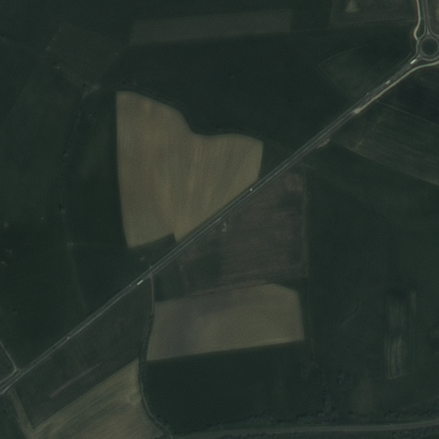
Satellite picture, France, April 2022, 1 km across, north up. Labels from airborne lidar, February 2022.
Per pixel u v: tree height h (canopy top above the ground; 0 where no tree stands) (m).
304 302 0
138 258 0
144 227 0
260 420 12
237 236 0
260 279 0
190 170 0
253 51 0
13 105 0
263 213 0
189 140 0
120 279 0
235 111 0
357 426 0
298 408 0
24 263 0
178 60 0
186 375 0
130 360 0
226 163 0
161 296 0
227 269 0
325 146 0
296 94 0
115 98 0
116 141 0
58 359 0
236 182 0
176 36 0
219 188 0
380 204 0
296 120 0
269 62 0
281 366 0
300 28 0
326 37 0
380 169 0
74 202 0
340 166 0
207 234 0
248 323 0
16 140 0
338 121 0
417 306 0
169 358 0
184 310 0
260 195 0
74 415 0
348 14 0
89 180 0
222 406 0
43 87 0
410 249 0
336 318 0
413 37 0
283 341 0
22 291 0
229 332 0
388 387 0
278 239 0
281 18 0
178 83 0
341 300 0
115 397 0
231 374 0
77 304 0
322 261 0
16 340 0
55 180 0
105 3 0
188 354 0
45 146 0
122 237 0
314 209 0
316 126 0
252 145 0
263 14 0
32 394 0
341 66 0
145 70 0
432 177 0
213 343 0
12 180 0
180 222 0
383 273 0
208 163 0
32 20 0
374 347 0
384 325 0
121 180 0
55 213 0
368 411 0
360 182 0
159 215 0
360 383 0
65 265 0
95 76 0
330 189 0
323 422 11
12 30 0
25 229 0
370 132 0
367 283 0
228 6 0
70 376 0
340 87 0
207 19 0
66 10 0
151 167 0
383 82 0
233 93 0
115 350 0
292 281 0
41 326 0
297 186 0
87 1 0
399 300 0
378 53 0
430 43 0
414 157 0
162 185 0
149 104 0
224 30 0
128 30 0
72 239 0
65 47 0
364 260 0
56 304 0
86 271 0
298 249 0
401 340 0
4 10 0
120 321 0
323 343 0
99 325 0
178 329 0
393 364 0
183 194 0
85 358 0
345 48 0
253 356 0
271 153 0
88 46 0
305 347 0
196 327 0
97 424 0
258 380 0
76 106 0
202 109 0
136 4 0
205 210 0
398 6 0
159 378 0
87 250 0
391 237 0
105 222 0
